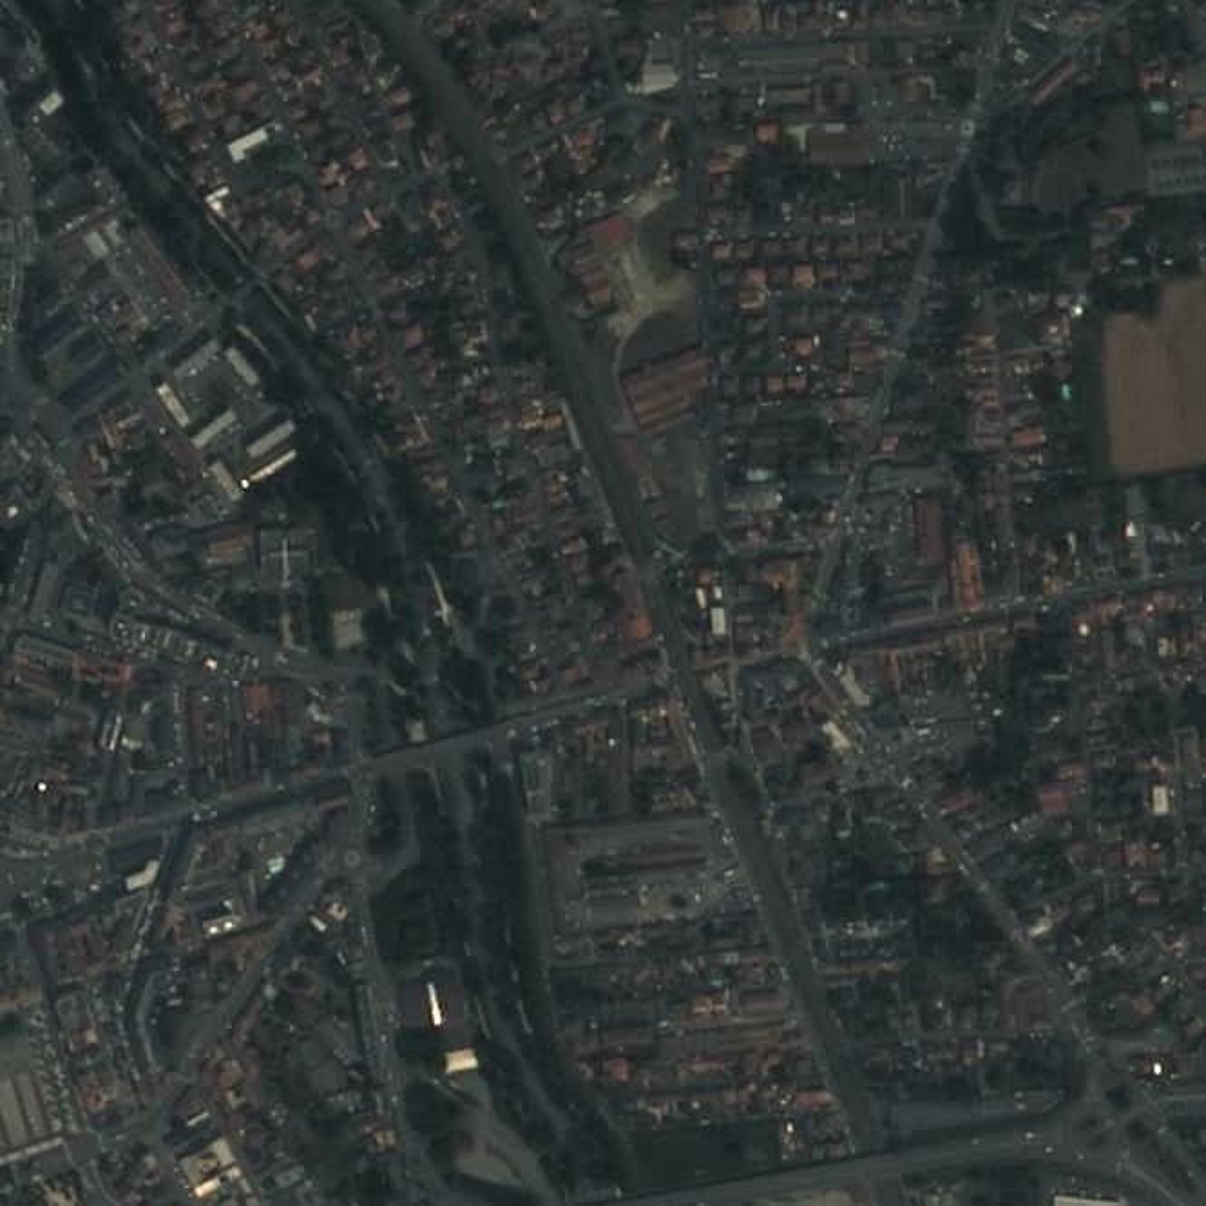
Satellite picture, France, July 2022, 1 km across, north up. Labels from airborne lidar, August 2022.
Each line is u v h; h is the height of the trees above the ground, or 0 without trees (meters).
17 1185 12
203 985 0
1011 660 7
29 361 10
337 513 31
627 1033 0
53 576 0
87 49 19
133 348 7
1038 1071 10
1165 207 10
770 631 0
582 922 0
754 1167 0
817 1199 0
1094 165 0
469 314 6
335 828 0
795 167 9
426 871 14
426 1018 0
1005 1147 0
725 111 7
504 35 9
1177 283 0
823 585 0
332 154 6
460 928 18
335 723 0
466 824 0
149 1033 0
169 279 0
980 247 22
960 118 0
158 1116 0
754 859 0
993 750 7
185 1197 0
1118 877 0
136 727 0
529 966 24
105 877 0
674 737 0
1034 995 0
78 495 0
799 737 0
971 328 0
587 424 0
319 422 12
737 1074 5
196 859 0
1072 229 8
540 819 0
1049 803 0
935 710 0
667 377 0
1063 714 0
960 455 7
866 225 0
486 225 16
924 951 7
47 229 17
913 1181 8
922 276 0
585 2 0
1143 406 0
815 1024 0
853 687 0
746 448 6
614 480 0
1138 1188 0
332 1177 0
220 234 7
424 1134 17
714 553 10
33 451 0
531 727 0
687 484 0
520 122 0
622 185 0
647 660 0
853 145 0
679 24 0
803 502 7
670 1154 0
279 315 9
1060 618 6
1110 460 0
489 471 0
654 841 0
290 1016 17
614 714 0
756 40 0
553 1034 17
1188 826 7
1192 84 0
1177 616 6
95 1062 0
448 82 0
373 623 17
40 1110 0
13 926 0
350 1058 0
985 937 11
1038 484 7
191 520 0
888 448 0
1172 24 6
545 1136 16
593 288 0
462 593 13
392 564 15
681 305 0
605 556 11
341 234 0
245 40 0
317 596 13
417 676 9
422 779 10
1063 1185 0
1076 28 0
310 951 8
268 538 0
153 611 0
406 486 17
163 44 0
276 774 0
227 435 0
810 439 7
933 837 0
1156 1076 6
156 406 0
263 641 0
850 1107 0
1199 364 0
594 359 0
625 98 0
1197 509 0
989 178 23
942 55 6
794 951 0
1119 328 0
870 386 0
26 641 0
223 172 0
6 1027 14
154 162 25
